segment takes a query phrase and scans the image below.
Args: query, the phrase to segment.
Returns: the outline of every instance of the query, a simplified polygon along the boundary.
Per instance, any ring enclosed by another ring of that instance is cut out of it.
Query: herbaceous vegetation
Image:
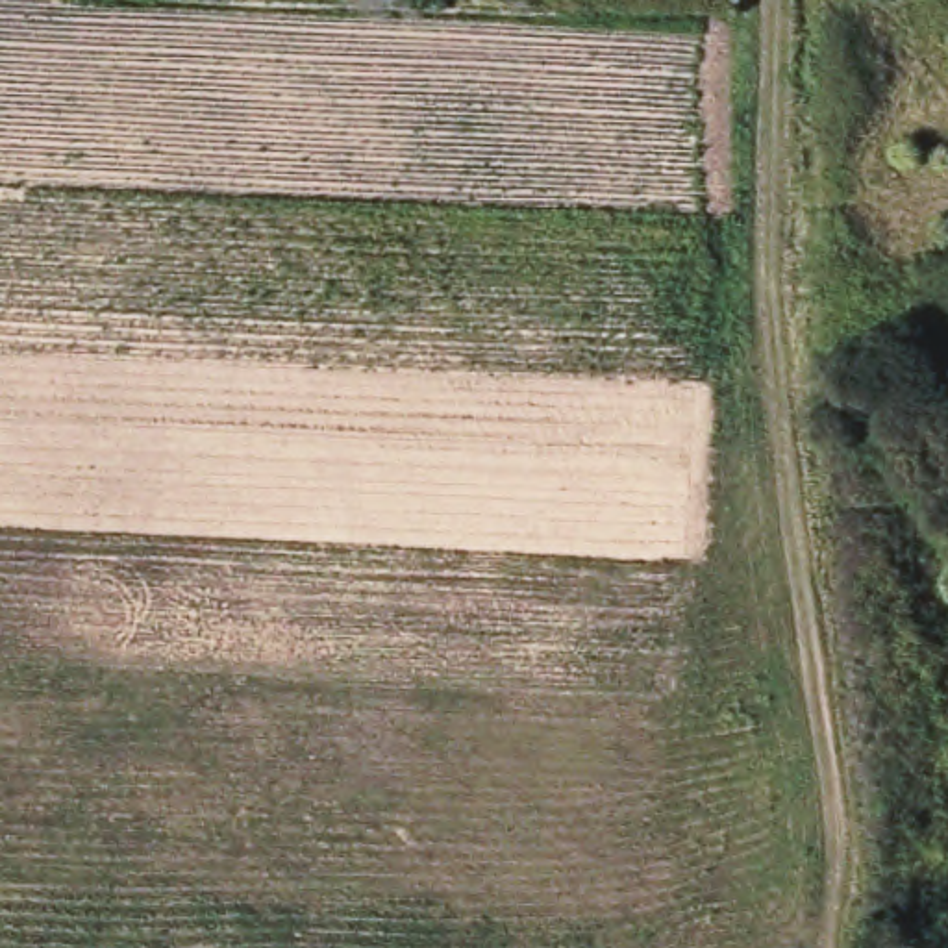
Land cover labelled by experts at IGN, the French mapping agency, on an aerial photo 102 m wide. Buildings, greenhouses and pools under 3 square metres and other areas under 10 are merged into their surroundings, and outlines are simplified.
[[[874,237],[892,256],[918,256],[948,244],[948,0],[785,0],[792,4],[796,22],[792,63],[781,63],[781,81],[792,85],[789,152],[796,159],[796,174],[789,181],[789,200],[778,204],[778,244],[792,248],[792,215],[807,215],[811,207],[830,207],[830,215],[844,218],[852,237]],[[881,111],[859,100],[855,74],[844,63],[844,33],[855,11],[867,11],[870,30],[892,33],[900,74],[889,93],[889,107]]]
[[[733,189],[755,189],[759,0],[141,0],[148,11],[289,15],[322,22],[426,19],[641,33],[707,33],[711,22],[722,22],[730,30],[733,67],[730,181]]]
[[[859,830],[863,863],[878,855],[885,807],[878,804],[878,789],[867,763],[859,763],[867,700],[855,678],[859,641],[852,641],[852,626],[844,615],[844,570],[833,563],[833,552],[844,552],[855,541],[837,522],[837,511],[859,507],[859,470],[844,467],[830,452],[833,444],[811,441],[811,400],[800,389],[789,396],[796,496],[807,533],[807,578],[818,644],[826,659],[844,811],[848,822]]]

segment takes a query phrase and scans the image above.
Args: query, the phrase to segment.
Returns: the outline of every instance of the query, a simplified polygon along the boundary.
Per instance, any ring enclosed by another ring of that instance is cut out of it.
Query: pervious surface
[[[848,822],[844,811],[826,659],[818,644],[807,578],[807,533],[796,496],[789,396],[800,389],[811,400],[811,356],[804,344],[807,304],[800,304],[800,293],[811,293],[811,267],[804,263],[811,233],[807,215],[792,215],[792,248],[778,244],[778,204],[789,200],[789,181],[796,174],[796,159],[789,152],[792,85],[781,81],[781,63],[792,63],[796,22],[792,4],[785,0],[759,0],[755,189],[755,322],[763,363],[763,411],[774,448],[774,489],[781,507],[781,552],[796,622],[796,663],[807,704],[807,726],[815,741],[815,774],[822,789],[830,863],[818,948],[855,948],[852,941],[859,933],[859,922],[874,907],[870,892],[863,892],[863,863],[859,830]]]

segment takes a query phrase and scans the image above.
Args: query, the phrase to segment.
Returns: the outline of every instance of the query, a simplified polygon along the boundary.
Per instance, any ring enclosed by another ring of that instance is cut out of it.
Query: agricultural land
[[[781,552],[781,507],[774,489],[774,448],[763,411],[763,363],[755,322],[755,189],[733,189],[730,181],[733,67],[730,30],[722,22],[711,22],[707,33],[641,33],[426,19],[322,22],[289,15],[148,11],[141,0],[0,0],[0,948],[818,948],[830,863],[822,789],[815,774],[815,741],[807,726],[807,704],[796,663],[796,622]]]

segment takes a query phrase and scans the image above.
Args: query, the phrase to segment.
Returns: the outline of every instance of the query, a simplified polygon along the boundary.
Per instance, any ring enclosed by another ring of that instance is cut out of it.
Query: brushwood
[[[892,33],[870,30],[867,11],[855,11],[844,33],[844,63],[855,74],[859,100],[881,111],[889,107],[889,93],[900,74]]]
[[[918,256],[892,256],[874,237],[852,237],[844,218],[830,215],[830,207],[811,207],[807,215],[811,233],[804,263],[811,267],[811,293],[800,293],[800,304],[807,304],[804,344],[811,356],[811,400],[811,441],[833,444],[830,452],[844,467],[859,470],[859,507],[837,511],[837,522],[855,541],[844,552],[833,552],[833,563],[844,570],[844,615],[852,626],[852,641],[859,641],[855,678],[867,700],[859,763],[867,763],[878,789],[878,804],[885,807],[878,855],[863,863],[863,892],[870,892],[874,907],[907,904],[911,878],[926,878],[937,896],[948,900],[948,441],[929,422],[907,422],[885,400],[874,404],[852,389],[837,393],[837,385],[826,378],[837,370],[833,348],[841,341],[870,333],[878,322],[896,315],[911,318],[911,326],[918,330],[918,348],[929,356],[937,370],[948,374],[948,244]]]

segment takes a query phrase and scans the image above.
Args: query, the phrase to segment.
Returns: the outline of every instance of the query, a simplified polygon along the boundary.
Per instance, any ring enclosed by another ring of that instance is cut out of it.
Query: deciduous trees
[[[855,948],[948,948],[948,900],[937,896],[926,878],[911,878],[907,904],[874,907],[859,922],[859,933],[852,941]]]
[[[870,333],[841,341],[833,348],[837,370],[826,378],[837,385],[837,393],[852,389],[874,404],[885,400],[907,422],[929,422],[948,441],[948,374],[937,370],[929,356],[918,348],[918,330],[911,326],[911,318],[896,315],[878,322]]]

